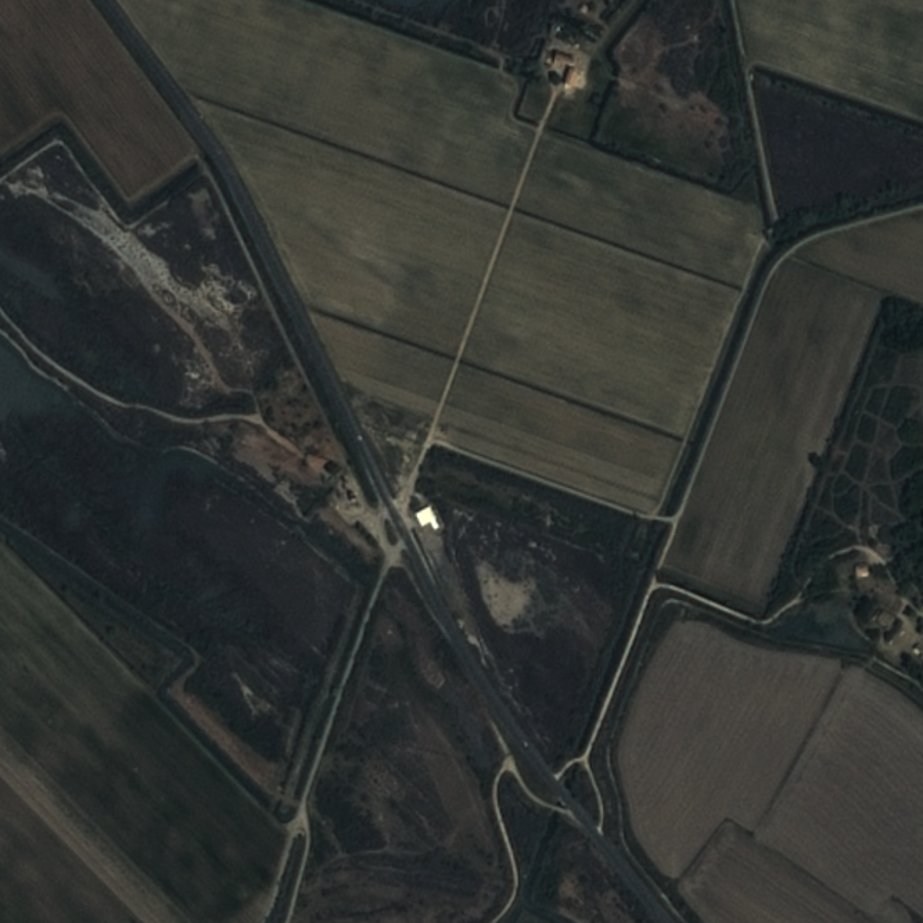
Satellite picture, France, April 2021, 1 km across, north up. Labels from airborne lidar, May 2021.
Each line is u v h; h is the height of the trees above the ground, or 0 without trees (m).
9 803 0
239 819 0
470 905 0
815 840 0
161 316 0
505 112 0
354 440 0
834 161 0
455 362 0
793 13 0
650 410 0
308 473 0
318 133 0
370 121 0
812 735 0
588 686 0
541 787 0
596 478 0
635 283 0
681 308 0
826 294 0
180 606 0
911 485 12
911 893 0
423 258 0
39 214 0
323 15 0
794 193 0
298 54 0
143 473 0
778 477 0
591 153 0
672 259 0
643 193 0
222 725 0
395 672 0
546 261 0
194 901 0
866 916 0
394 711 0
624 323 0
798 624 0
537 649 0
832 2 0
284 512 6
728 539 0
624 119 0
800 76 0
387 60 0
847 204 12
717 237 0
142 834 0
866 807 0
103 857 0
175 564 0
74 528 0
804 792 0
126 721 0
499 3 0
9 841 0
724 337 0
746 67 0
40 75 0
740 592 0
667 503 0
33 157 0
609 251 0
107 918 0
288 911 0
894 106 0
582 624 0
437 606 0
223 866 0
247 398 6
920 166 0
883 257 0
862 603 10
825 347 0
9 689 0
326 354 0
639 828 0
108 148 0
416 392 0
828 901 0
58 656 0
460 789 0
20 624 0
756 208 0
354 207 0
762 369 0
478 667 0
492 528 0
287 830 0
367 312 0
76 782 0
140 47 0
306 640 0
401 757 0
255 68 0
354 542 0
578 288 0
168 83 0
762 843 0
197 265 0
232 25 0
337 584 0
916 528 9
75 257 0
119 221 0
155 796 0
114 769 0
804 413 0
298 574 0
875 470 0
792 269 0
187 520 0
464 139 0
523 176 0
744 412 0
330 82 0
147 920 0
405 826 0
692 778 0
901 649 0
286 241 0
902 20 0
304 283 0
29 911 0
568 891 0
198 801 0
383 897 0
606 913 0
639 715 0
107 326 0
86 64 0
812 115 0
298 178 0
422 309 0
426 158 0
